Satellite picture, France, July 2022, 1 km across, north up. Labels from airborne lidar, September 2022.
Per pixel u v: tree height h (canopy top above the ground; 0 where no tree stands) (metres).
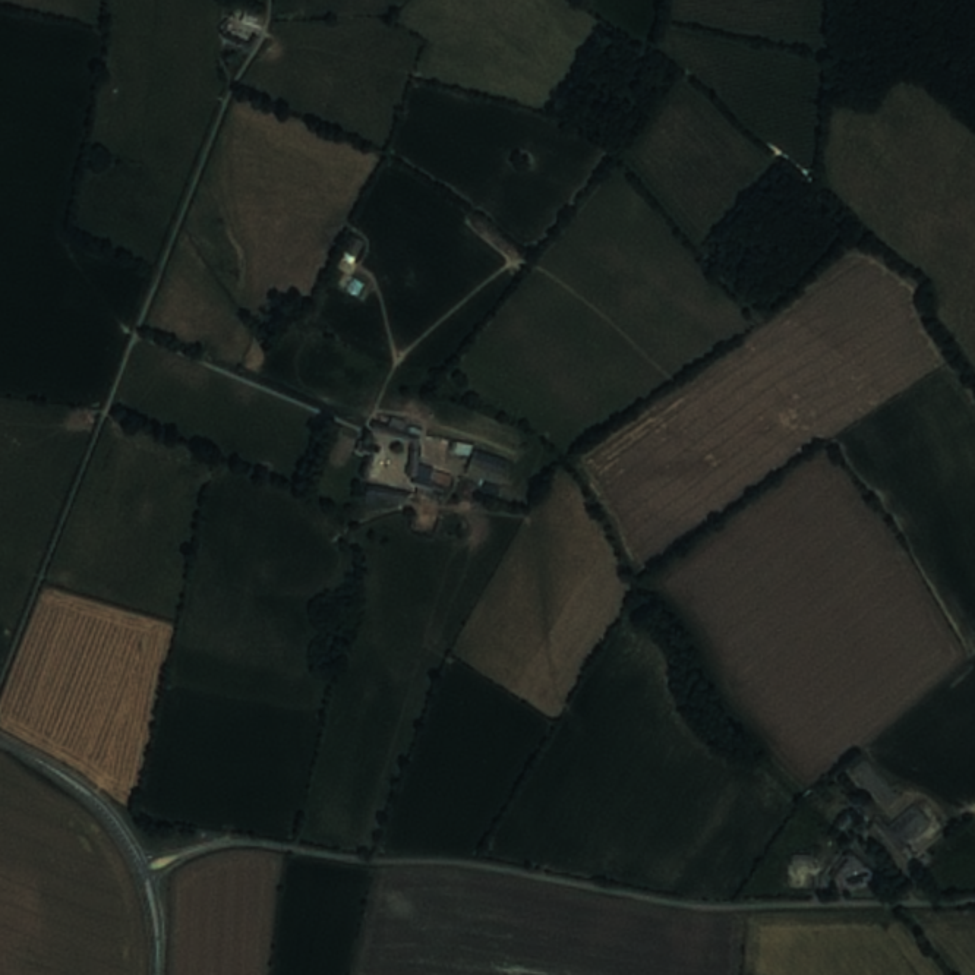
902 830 0
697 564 0
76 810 0
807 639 0
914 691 0
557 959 0
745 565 0
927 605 0
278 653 0
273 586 0
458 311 0
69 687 0
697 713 31
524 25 0
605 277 0
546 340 0
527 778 7
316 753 6
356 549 12
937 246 0
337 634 7
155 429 18
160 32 0
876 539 0
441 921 0
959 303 0
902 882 11
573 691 7
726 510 8
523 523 0
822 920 0
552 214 0
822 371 0
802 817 0
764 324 0
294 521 0
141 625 0
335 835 0
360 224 0
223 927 0
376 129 0
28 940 0
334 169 0
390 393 0
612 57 21
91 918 0
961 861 0
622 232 0
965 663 0
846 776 9
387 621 0
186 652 0
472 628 0
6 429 0
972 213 0
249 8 24
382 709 0
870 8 20
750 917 0
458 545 0
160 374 0
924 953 15
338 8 0
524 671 0
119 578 0
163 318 0
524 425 6
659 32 13
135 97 0
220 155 0
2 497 0
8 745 0
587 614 0
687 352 0
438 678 18
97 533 0
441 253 0
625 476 0
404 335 0
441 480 0
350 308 0
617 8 0
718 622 0
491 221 8
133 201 0
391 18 12
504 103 8
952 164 0
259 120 0
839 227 17
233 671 0
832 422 0
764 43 10
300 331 0
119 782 0
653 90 16
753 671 0
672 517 0
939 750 0
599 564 0
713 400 0
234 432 0
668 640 31
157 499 0
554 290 0
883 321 0
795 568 0
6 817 0
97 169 9
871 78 22
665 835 0
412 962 0
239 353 0
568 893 0
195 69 0
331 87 0
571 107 20
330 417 20
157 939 0
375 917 0
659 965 0
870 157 0
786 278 17
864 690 0
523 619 0
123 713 0
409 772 8
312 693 0
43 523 0
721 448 0
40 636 0
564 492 0
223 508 0
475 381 0
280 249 0
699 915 0
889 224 0
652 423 0
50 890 0
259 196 0
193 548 14
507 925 0
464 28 0
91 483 0
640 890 6
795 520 0
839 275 0
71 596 0
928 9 24
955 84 18
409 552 0
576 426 0
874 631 0
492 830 6
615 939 0
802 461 9
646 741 0
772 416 0
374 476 0
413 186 0
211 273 0
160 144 0
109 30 7
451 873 0
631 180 11
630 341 0
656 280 0
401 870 0
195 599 0
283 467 0
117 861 0
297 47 0
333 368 0
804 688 0
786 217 18
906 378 0
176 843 0
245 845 0
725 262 14
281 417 0
